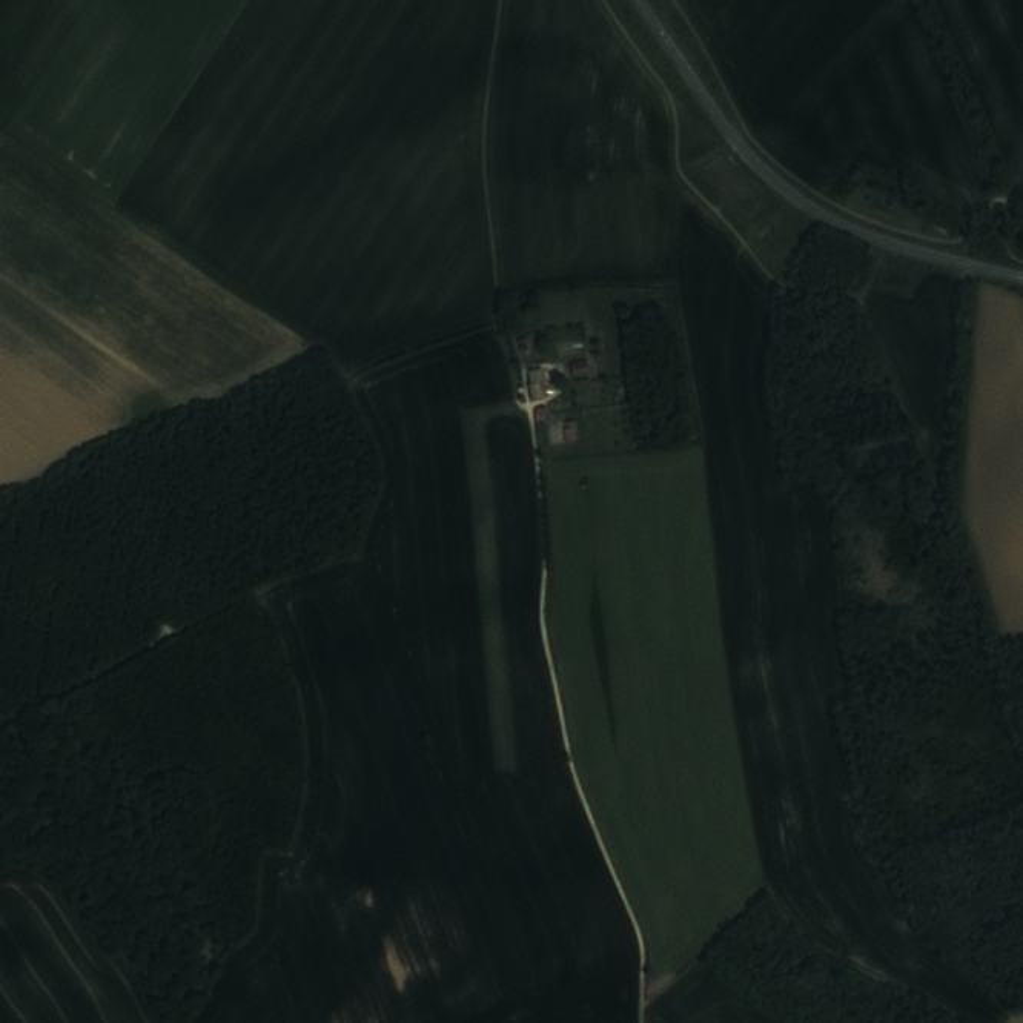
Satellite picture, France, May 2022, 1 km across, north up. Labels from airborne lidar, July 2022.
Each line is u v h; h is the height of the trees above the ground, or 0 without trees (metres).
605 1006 0
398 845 0
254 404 22
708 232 0
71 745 22
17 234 0
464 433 0
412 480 0
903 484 16
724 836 0
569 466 0
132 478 20
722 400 0
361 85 0
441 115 0
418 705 0
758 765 0
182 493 20
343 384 18
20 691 16
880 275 0
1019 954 28
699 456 0
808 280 18
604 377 10
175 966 25
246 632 8
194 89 0
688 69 0
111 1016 0
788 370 24
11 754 29
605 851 0
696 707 0
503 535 0
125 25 0
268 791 11
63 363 0
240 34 0
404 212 0
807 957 16
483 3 0
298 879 0
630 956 0
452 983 0
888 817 14
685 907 0
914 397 0
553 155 0
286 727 9
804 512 0
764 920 19
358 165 0
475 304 0
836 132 0
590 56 0
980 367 0
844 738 20
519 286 0
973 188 0
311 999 0
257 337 0
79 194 0
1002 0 0
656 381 22
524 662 0
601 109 0
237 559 22
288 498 24
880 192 12
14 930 0
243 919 11
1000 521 0
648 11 0
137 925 26
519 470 0
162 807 18
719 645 0
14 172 0
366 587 0
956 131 0
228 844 10
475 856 0
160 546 17
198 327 0
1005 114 0
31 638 17
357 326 0
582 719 0
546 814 0
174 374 0
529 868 0
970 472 0
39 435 0
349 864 0
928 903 23
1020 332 0
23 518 19
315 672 0
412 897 0
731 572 0
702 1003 0
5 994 0
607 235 0
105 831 28
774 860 0
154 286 0
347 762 0
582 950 0
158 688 11
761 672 0
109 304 0
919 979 0
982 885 23
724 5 0
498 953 0
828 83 0
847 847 0
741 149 0
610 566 0
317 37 0
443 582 0
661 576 0
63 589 17
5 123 0
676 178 0
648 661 0
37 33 0
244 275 0
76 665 16
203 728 11
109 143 0
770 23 0
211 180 0
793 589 0
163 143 0
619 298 0
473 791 0
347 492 20
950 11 0
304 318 0
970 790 6
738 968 16
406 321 0
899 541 8
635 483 0
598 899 0
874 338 17
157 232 0
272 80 0
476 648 0
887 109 0
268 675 12
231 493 19
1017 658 22
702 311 0
